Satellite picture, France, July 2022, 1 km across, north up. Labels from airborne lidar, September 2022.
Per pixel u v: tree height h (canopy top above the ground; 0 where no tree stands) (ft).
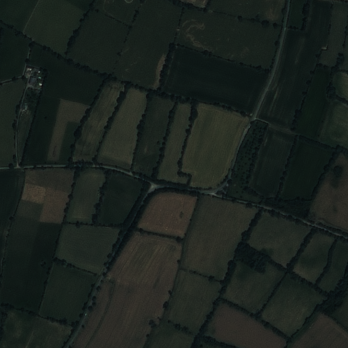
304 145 0
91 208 0
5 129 0
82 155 0
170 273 0
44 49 54
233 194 0
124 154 0
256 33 0
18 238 0
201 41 0
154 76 0
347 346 0
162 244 0
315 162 0
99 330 0
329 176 0
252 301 0
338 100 26
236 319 0
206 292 0
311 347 0
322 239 0
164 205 0
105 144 0
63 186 0
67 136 0
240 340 0
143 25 0
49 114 0
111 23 0
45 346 0
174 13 0
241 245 55
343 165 0
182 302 0
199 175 0
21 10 0
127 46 0
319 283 23
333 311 23
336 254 0
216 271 0
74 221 0
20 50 0
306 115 0
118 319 0
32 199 0
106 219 0
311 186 0
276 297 0
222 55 0
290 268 52
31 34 0
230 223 0
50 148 0
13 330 0
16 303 0
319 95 0
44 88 25
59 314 0
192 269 0
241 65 29
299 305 0
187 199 0
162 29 0
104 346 0
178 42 0
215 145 0
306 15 52
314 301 0
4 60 0
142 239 0
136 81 0
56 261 50
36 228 0
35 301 0
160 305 0
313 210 0
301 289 0
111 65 0
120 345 0
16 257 0
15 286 0
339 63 58
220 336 0
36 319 0
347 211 0
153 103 0
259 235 0
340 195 0
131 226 29
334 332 0
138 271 0
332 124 0
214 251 0
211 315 35
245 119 0
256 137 19
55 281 0
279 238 0
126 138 0
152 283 0
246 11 0
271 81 0
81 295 0
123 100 38
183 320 0
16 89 0
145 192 45
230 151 0
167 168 0
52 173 0
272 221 0
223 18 0
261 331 0
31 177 0
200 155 0
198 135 0
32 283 0
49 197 0
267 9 0
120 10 0
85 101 0
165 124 0
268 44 0
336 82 0
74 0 0
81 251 0
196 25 0
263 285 0
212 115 0
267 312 0
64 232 0
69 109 0
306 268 0
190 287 0
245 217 0
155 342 0
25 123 0
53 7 0
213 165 0
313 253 0
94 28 0
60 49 0
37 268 0
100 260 0
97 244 0
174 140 0
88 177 0
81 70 50
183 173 31
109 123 36
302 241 0
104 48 0
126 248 0
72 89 0
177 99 50
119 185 0
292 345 0
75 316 0
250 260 59
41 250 0
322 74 0
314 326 0
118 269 0
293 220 42
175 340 0
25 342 0
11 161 0
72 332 46
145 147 0
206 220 0
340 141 0
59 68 0
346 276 30
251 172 40
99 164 33
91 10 27
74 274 0
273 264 44
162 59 0
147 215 0
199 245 0
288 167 43
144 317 0
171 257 0
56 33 0
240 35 0
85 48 0
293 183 0
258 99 0
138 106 0
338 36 0
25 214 0
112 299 0
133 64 0
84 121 39
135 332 0
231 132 0
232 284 0
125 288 0
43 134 0
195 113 56
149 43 0
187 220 0
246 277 0
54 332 0
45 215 0
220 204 0
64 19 0
